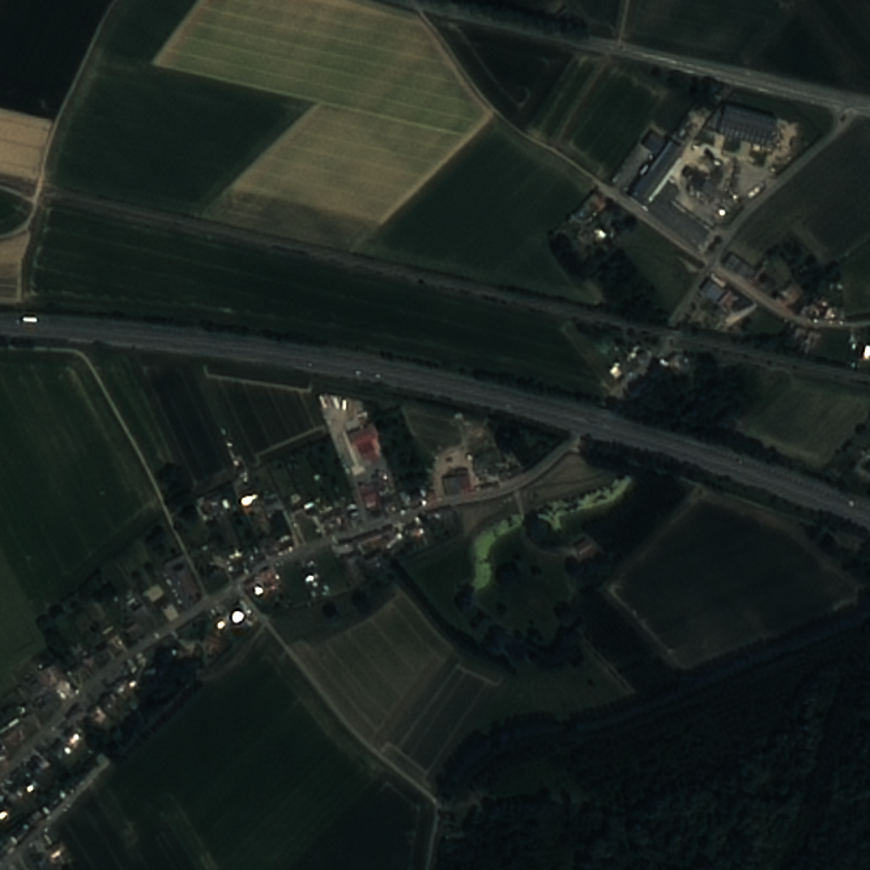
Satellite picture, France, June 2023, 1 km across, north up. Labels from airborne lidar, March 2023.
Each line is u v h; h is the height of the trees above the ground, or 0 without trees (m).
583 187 0
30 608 0
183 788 0
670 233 0
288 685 0
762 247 0
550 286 0
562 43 0
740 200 0
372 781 0
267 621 0
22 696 0
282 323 0
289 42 0
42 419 0
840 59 0
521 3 0
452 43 0
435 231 0
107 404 0
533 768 0
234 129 0
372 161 0
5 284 0
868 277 0
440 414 0
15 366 0
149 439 0
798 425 0
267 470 0
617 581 0
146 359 0
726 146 0
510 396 0
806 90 0
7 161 0
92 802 0
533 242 0
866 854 19
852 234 0
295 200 0
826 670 25
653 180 0
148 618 0
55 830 0
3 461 0
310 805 0
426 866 0
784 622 0
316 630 0
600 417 0
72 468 0
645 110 0
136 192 0
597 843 26
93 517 0
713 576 0
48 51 0
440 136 0
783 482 0
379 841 0
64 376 0
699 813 27
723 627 0
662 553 0
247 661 0
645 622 0
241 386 0
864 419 0
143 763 0
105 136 0
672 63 0
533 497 0
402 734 0
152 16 0
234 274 0
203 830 0
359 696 0
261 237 0
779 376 0
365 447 0
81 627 0
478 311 0
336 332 0
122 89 0
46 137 0
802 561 0
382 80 0
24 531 0
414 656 0
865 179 0
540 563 0
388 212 0
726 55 0
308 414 0
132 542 0
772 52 0
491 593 0
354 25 0
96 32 0
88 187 0
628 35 0
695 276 0
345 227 0
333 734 0
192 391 0
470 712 0
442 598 0
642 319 8
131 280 0
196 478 0
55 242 0
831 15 0
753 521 0
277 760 0
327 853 0
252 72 0
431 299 0
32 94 0
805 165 0
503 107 0
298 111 0
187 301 0
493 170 0
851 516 0
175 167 0
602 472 0
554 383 0
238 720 0
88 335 0
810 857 25
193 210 0
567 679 0
